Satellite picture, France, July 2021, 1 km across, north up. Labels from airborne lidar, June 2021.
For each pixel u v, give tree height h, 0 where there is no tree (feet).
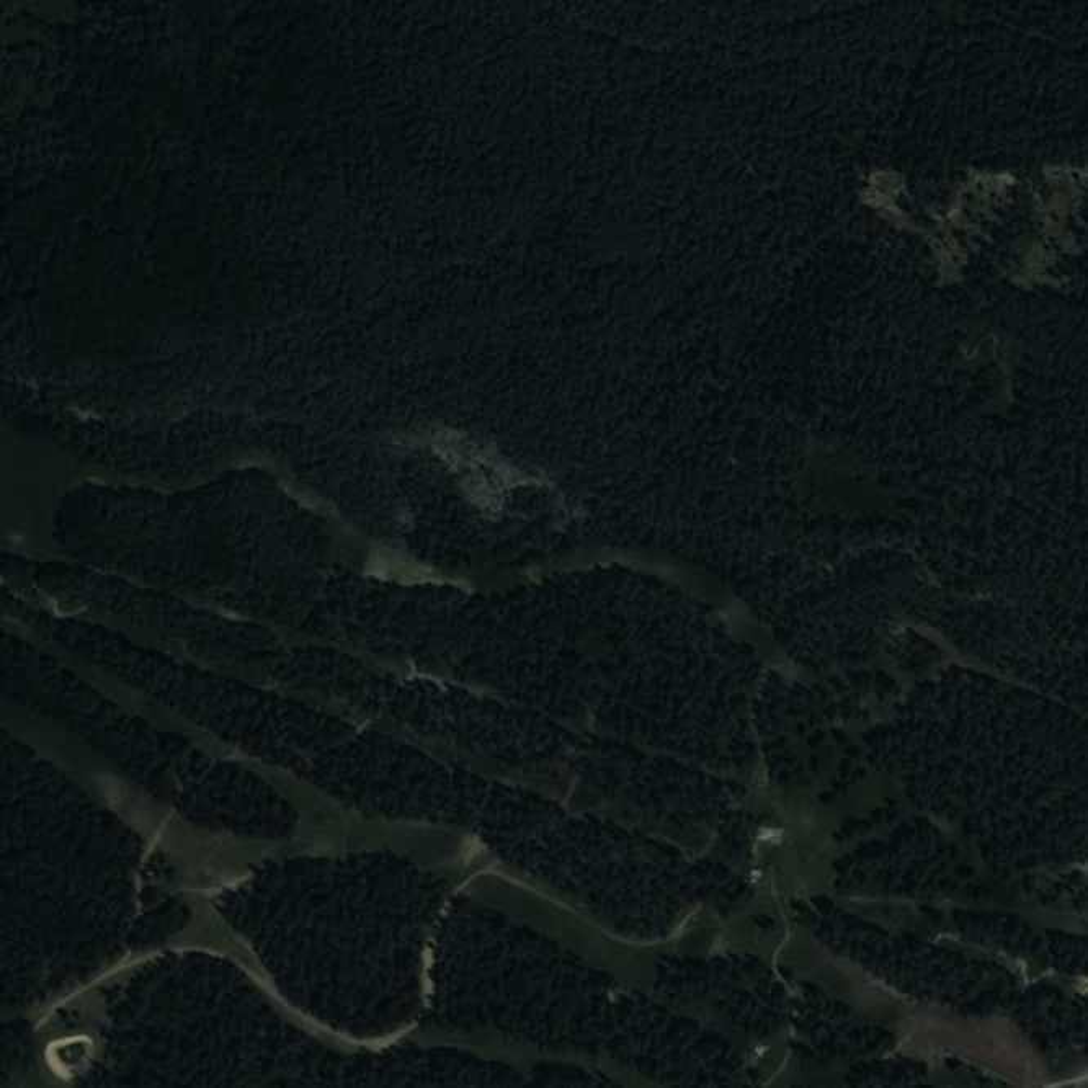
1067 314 114
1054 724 77
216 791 72
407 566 0
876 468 30
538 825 74
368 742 54
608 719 99
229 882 0
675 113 59
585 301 66
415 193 82
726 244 53
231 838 0
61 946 82
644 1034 93
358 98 78
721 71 69
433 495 37
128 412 38
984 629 64
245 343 52
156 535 67
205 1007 50
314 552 60
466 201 79
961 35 60
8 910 86
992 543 96
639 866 96
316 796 0
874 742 58
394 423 42
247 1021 76
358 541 0
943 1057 0
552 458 41
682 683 33
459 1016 97
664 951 0
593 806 0
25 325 54
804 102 57
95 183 102
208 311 78
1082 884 57
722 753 75
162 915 62
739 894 79
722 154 54
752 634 0
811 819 0
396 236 78
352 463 43
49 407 61
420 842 0
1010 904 0
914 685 0
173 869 40
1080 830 51
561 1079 97
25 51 42
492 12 82
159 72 102
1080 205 0
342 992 100
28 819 79
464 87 75
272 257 86
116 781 0
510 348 36
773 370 39
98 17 29
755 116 45
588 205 69
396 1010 78
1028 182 88
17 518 0
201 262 94
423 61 76
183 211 96
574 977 38
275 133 83
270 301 59
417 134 78
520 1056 0
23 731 0
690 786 85
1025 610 48
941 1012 0
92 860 85
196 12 67
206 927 0
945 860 62
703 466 102
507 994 72
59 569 74
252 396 43
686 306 40
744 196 34
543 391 60
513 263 77
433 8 82
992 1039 0
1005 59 69
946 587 35
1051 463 91
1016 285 109
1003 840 58
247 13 69
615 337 46
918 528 94
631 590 87
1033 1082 0
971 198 45
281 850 0
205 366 54
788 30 73
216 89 72
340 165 94
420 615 65
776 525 29
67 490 0
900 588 80
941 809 66
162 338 57
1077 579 72
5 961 56
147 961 0
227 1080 41
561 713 73
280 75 76
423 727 59
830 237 35
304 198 82
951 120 77
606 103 76
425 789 27
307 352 52
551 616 75
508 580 0
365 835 0
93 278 87
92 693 63
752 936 0
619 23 50
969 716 63
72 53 61
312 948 86
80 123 76
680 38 66
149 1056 95
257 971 0
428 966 0
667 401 40
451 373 66
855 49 56
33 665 103
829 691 69
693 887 94
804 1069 0
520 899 0
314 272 76
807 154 34
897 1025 0
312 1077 49
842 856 0
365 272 74
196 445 54
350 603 67
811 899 0
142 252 97
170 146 99
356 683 85
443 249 83
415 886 94
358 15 77
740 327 64
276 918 63
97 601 61
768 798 0
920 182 98
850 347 69
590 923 0
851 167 54
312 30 76
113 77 84
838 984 0
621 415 42
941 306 101
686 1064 101
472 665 56
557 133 83
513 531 29
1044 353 93
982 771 76
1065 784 35
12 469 0
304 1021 0
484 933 100
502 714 106
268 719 86
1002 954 0
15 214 88
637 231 73
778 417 94
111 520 64
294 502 45
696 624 81
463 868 0
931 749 71
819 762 59
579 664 92
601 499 54
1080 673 46
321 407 50
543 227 49
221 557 79
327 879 60
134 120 87
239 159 92
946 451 108
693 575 0
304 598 51
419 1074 96
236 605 27
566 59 66
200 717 61
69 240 96
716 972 59
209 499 55
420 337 64
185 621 58
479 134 88
